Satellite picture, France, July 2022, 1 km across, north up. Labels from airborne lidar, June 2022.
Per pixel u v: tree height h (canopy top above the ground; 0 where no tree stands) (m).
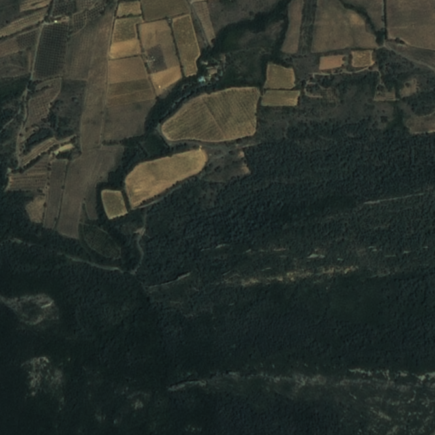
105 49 0
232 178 10
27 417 6
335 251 12
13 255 6
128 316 7
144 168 0
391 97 0
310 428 12
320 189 13
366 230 12
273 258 9
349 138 9
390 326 8
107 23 0
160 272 11
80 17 0
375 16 0
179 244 13
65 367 8
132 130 0
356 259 7
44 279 8
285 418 8
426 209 13
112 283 5
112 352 13
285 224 9
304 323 10
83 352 6
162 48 0
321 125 10
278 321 11
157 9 0
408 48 0
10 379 7
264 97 0
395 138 6
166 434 8
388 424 0
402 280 7
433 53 0
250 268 10
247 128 0
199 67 8
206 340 6
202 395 9
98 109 0
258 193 12
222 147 0
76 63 0
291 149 8
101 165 0
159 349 7
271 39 0
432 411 0
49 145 0
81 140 0
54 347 10
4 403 7
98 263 7
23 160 0
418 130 0
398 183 13
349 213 9
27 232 14
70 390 7
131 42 0
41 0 0
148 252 10
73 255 7
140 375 9
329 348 12
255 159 8
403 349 10
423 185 12
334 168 14
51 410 7
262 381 0
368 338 8
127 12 0
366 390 0
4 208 8
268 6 0
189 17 0
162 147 7
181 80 8
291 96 0
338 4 0
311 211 8
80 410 6
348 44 0
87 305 17
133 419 6
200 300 11
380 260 8
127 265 12
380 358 8
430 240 17
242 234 8
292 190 12
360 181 11
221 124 0
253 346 7
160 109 9
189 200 8
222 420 8
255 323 8
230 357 5
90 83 0
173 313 9
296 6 0
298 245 12
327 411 6
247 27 10
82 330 16
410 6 0
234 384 0
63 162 0
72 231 0
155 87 0
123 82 0
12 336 7
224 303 7
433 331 13
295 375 0
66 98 0
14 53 0
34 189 0
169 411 7
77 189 0
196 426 6
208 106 0
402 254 9
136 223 13
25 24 0
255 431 7
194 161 0
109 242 8
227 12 0
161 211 7
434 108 0
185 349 7
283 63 8
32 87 6
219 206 9
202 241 13
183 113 0
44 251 15
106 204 0
